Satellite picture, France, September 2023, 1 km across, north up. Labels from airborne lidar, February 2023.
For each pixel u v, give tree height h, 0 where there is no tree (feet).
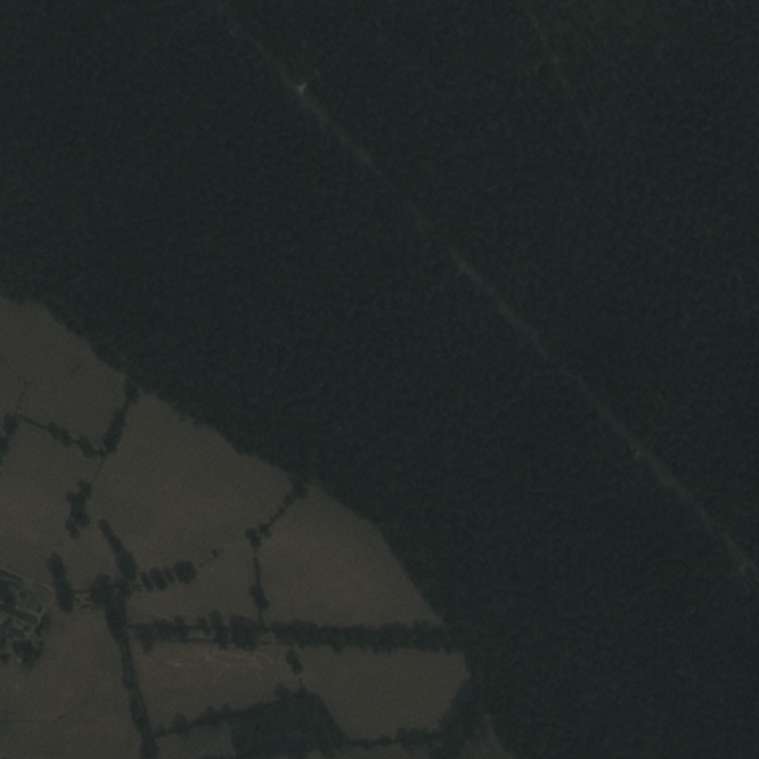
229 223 103
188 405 42
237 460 0
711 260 108
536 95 55
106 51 104
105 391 0
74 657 0
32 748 0
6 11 103
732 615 90
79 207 102
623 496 100
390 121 103
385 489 90
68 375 0
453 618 46
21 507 0
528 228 100
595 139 101
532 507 106
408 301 102
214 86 113
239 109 109
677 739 103
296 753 55
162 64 108
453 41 95
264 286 105
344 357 112
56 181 96
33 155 111
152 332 105
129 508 0
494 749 0
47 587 0
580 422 102
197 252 119
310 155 105
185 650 0
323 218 109
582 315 105
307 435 87
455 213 109
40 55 115
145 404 0
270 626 0
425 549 63
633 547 109
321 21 100
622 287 111
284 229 108
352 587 0
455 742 69
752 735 100
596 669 111
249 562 0
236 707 0
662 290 87
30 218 106
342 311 115
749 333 94
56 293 98
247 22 102
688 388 88
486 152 94
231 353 103
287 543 0
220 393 102
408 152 98
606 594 99
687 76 107
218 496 0
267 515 0
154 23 112
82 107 115
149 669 0
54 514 0
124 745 0
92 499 0
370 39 98
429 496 107
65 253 93
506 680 85
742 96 97
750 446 85
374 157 106
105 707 0
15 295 76
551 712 96
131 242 110
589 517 102
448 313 100
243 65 101
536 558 104
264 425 99
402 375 112
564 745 100
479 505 115
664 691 100
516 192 107
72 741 0
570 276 112
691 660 92
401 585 0
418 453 104
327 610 0
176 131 118
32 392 0
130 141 103
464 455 116
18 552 0
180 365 97
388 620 0
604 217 108
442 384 116
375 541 0
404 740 57
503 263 103
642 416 93
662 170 108
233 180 109
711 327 109
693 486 92
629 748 105
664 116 49
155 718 0
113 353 65
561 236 91
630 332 104
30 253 93
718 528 84
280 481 0
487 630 71
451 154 99
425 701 0
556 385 111
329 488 47
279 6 115
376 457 99
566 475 108
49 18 120
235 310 113
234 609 0
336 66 106
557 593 107
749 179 90
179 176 112
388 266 100
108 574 0
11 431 34
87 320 80
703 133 103
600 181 107
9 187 93
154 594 0
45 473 0
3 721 0
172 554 0
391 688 0
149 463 0
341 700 0
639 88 103
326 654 0
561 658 100
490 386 113
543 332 96
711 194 98
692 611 99
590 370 100
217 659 0
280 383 100
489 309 97
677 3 92
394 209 102
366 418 107
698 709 94
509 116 56
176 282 112
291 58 93
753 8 105
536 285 100
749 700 91
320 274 114
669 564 100
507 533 108
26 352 0
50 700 0
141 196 115
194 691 0
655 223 100
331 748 72
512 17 96
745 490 77
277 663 0
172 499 0
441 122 89
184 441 0
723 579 0
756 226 79
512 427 113
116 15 118
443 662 0
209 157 112
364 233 109
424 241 44
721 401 90
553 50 83
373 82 105
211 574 0
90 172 109
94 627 0
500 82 94
